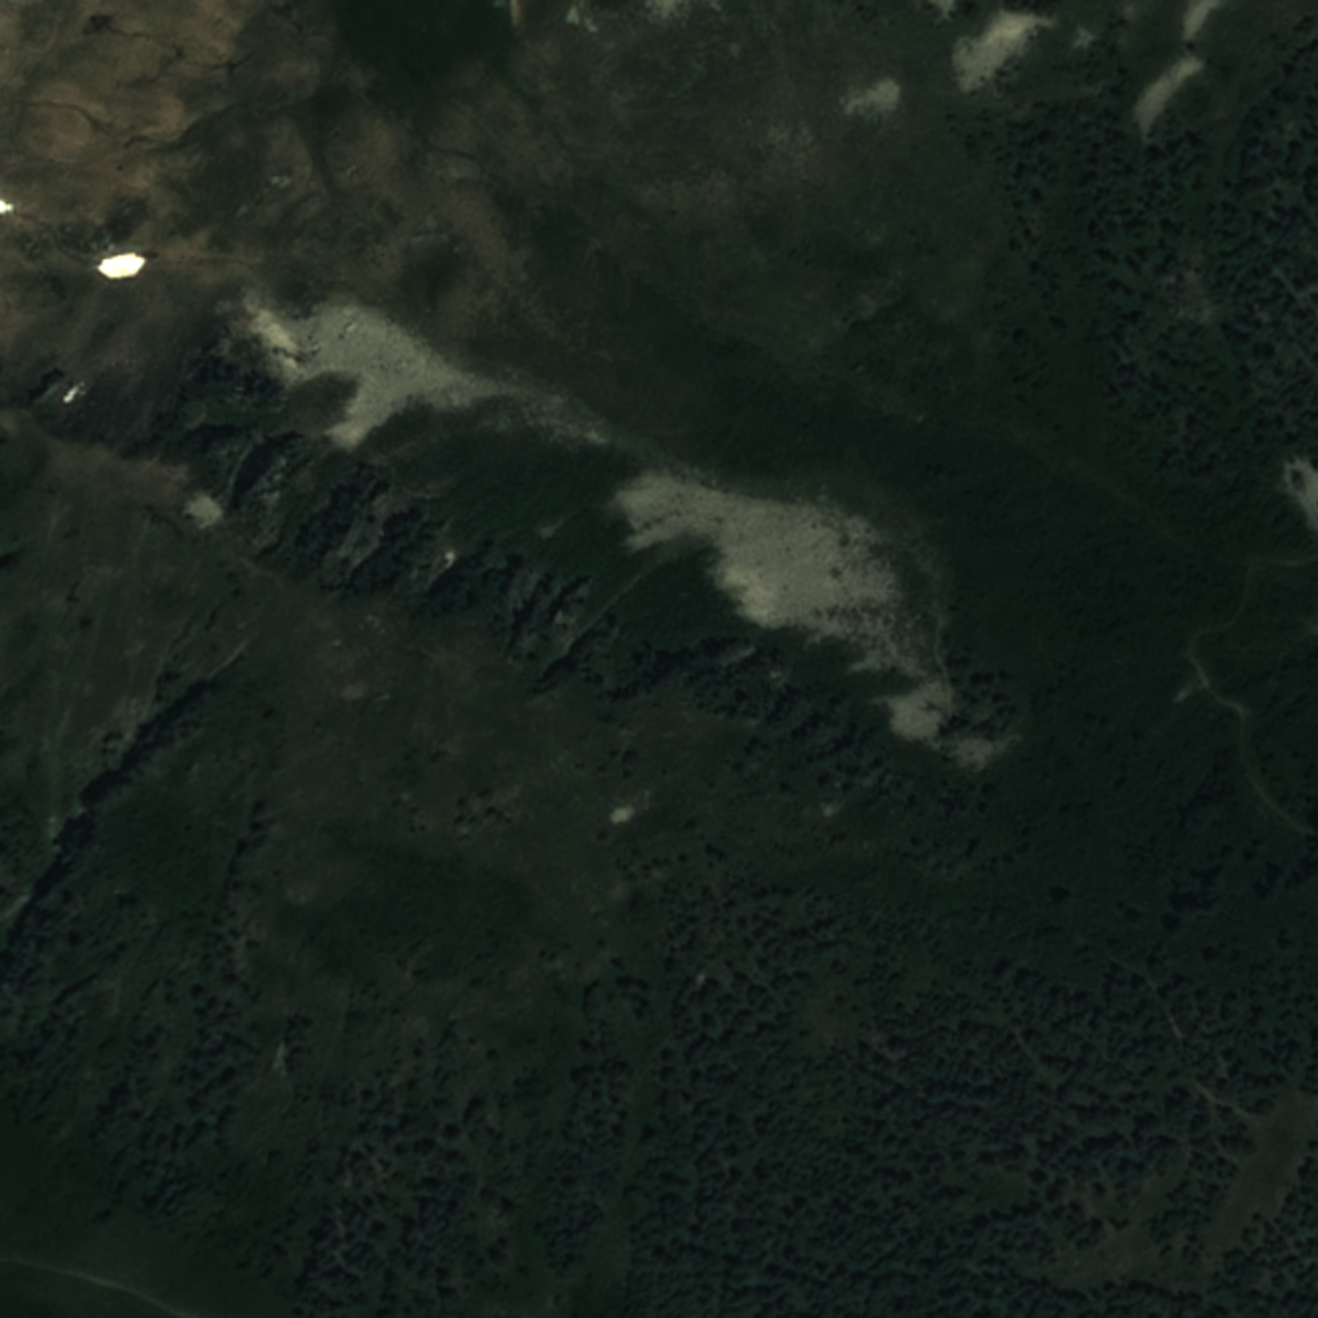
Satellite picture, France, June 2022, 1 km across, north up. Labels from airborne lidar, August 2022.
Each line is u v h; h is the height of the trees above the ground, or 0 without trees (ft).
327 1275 94
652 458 0
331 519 25
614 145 0
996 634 23
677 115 0
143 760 48
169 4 0
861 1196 45
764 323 0
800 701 65
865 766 26
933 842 22
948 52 0
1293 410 95
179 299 0
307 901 0
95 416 0
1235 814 52
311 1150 21
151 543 0
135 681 0
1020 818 24
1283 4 0
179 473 0
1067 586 26
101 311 0
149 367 0
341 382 0
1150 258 89
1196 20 0
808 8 0
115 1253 0
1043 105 31
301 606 0
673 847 0
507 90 0
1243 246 45
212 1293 0
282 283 0
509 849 0
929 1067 38
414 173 0
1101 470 0
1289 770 0
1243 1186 0
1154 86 0
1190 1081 0
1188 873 18
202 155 0
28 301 0
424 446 0
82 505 0
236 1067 28
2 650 0
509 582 34
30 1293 0
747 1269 93
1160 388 61
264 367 0
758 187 0
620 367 0
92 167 0
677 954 48
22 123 0
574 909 0
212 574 0
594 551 22
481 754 0
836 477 0
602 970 0
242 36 0
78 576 0
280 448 41
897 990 36
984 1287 51
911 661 0
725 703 32
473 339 0
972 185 0
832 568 0
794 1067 49
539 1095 39
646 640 20
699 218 0
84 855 64
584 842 0
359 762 0
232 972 26
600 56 0
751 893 24
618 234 0
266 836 37
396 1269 19
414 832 30
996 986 24
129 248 0
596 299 0
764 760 37
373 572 30
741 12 0
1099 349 36
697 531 0
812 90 0
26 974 33
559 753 0
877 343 29
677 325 0
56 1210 0
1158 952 23
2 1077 19
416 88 0
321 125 0
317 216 0
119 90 0
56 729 0
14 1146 0
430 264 0
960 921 30
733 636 18
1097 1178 99
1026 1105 45
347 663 0
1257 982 29
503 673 0
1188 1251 34
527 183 0
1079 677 35
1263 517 36
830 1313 85
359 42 0
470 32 0
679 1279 27
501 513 17
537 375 0
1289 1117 0
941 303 0
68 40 0
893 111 0
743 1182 114
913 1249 37
